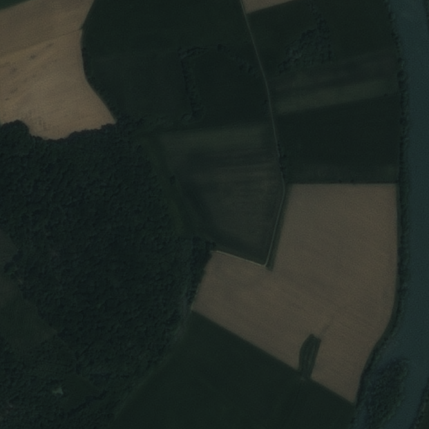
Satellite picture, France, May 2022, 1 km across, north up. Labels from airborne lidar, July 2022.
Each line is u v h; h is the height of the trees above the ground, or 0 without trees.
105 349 23
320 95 0
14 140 22
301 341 0
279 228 0
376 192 0
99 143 26
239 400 0
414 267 0
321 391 0
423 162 0
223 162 0
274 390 0
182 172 0
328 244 0
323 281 0
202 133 0
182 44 0
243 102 0
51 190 19
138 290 27
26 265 17
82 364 23
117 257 28
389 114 0
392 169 0
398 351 0
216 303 0
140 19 0
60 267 28
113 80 0
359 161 0
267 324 0
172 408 0
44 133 0
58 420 24
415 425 11
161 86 0
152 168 15
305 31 0
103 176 27
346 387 0
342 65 0
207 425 0
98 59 0
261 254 0
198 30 0
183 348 0
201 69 0
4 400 19
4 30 0
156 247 19
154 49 0
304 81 0
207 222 0
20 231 22
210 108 0
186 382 0
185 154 0
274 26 0
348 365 0
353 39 0
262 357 0
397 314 11
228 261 0
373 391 20
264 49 0
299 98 0
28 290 21
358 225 0
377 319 0
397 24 0
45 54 0
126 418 0
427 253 0
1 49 0
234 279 0
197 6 0
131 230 25
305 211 0
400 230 0
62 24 0
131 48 0
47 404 19
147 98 0
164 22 0
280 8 0
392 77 0
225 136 0
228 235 0
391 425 0
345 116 0
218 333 0
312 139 0
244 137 0
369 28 0
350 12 0
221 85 0
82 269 23
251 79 0
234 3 0
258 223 0
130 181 24
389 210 0
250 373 0
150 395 0
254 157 0
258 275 0
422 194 0
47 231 24
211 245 18
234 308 0
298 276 0
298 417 0
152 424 0
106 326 27
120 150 28
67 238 24
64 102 0
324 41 19
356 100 0
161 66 0
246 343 0
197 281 19
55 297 24
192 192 0
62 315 25
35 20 0
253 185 0
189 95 9
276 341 0
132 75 0
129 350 24
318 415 0
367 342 0
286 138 0
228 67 0
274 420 0
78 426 8
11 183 26
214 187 0
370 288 0
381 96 0
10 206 18
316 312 0
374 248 0
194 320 0
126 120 20
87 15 0
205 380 0
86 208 26
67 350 8
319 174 0
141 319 27
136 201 26
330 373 0
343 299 0
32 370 10
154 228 22
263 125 0
